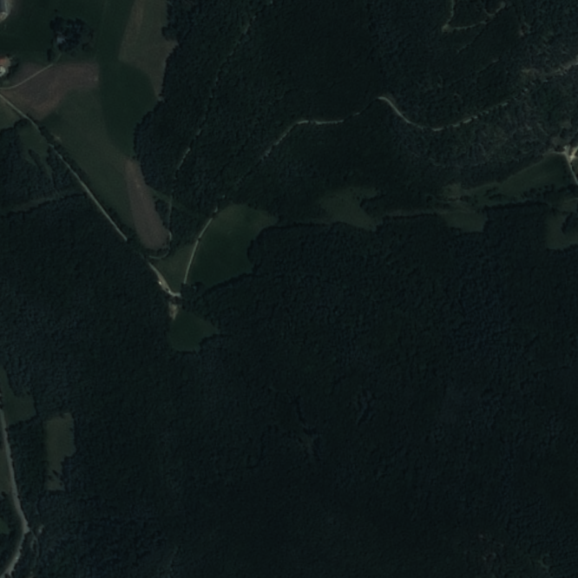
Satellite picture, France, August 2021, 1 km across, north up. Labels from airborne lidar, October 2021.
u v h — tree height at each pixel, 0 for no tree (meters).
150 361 23
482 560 18
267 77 16
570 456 24
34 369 16
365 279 16
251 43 17
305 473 24
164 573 12
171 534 22
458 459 26
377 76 15
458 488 26
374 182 18
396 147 9
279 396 11
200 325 0
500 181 14
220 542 17
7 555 12
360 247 25
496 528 21
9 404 0
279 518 21
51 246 23
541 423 23
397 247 21
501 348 25
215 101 16
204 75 22
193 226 10
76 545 15
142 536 20
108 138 0
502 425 28
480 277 18
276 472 23
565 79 18
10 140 16
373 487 23
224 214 0
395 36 18
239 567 23
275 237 24
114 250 16
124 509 31
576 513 20
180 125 13
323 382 26
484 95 25
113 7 0
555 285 21
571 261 21
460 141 8
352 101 13
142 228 0
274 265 18
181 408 22
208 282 0
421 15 14
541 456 22
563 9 18
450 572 15
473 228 0
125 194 0
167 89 14
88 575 9
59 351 16
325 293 25
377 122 13
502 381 24
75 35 10
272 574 24
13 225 24
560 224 0
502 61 20
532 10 10
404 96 23
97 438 26
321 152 17
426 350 22
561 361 24
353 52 16
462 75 20
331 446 24
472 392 26
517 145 7
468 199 12
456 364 26
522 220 16
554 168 0
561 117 7
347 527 19
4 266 17
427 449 28
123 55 0
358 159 21
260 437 16
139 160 11
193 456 23
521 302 20
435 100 22
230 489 25
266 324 26
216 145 21
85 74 0
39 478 10
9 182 20
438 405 28
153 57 0
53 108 0
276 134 15
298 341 22
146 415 27
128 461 29
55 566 14
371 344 21
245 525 23
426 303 20
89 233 15
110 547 23
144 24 0
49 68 0
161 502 24
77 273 19
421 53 16
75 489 12
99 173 0
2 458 0
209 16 23
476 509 24
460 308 13
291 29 19
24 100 0
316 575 17
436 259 19
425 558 16
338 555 17
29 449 16
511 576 21
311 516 16
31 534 7
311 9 24
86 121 0
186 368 22
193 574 17
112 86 0
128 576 15
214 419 18
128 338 24
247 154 18
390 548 15
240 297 27
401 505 28
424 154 21
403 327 19
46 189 9
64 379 13
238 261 0
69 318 13
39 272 21
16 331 14
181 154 12
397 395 27
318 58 20
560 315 25
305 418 25
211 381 16
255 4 15
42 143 0
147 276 17
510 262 26
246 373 21
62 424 0
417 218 14
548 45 21
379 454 15
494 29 17
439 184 7
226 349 16
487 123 25
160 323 16
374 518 19
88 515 24
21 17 0
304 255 20
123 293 15
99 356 23
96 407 27
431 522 21
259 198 16
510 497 21
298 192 26
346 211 0
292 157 11
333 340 19
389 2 19
